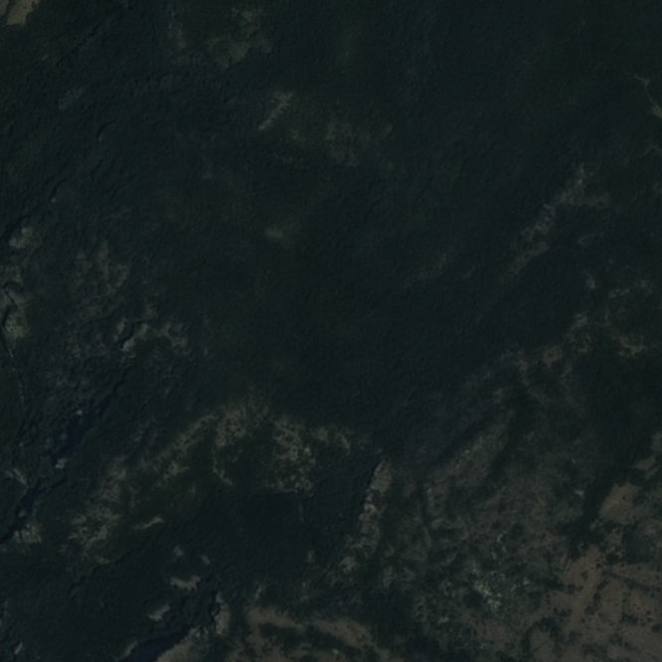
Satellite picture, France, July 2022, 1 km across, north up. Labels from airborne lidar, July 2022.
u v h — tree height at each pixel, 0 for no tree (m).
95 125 14
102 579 9
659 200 7
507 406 6
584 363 8
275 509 11
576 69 11
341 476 7
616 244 6
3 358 11
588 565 0
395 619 8
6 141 26
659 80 6
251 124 8
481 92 8
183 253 7
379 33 12
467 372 6
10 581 8
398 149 6
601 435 6
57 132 10
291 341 9
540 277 6
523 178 6
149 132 12
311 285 10
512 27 7
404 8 9
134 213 6
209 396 7
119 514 6
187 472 7
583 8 6
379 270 9
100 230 6
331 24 7
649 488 6
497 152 8
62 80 10
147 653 9
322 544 8
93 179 7
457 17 9
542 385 5
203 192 7
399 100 6
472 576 6
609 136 7
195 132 6
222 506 8
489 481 6
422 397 6
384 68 13
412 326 7
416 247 9
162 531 7
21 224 10
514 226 6
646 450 8
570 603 0
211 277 6
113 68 10
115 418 6
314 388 8
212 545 7
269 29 8
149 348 7
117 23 12
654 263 7
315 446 9
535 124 6
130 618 10
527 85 6
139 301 7
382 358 6
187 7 7
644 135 5
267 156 12
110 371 10
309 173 14
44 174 10
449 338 6
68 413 7
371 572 6
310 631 6
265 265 8
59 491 8
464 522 0
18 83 9
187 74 10
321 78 6
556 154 7
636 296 6
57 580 6
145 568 10
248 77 7
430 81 7
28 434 7
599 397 7
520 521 0
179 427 6
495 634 0
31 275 8
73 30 21
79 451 7
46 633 6
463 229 6
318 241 7
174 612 12
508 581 0
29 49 10
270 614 0
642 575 0
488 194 8
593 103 9
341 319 6
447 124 7
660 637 0
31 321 7
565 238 6
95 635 12
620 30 11
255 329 8
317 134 7
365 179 9
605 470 7
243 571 6
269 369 7
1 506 9
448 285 6
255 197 8
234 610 6
